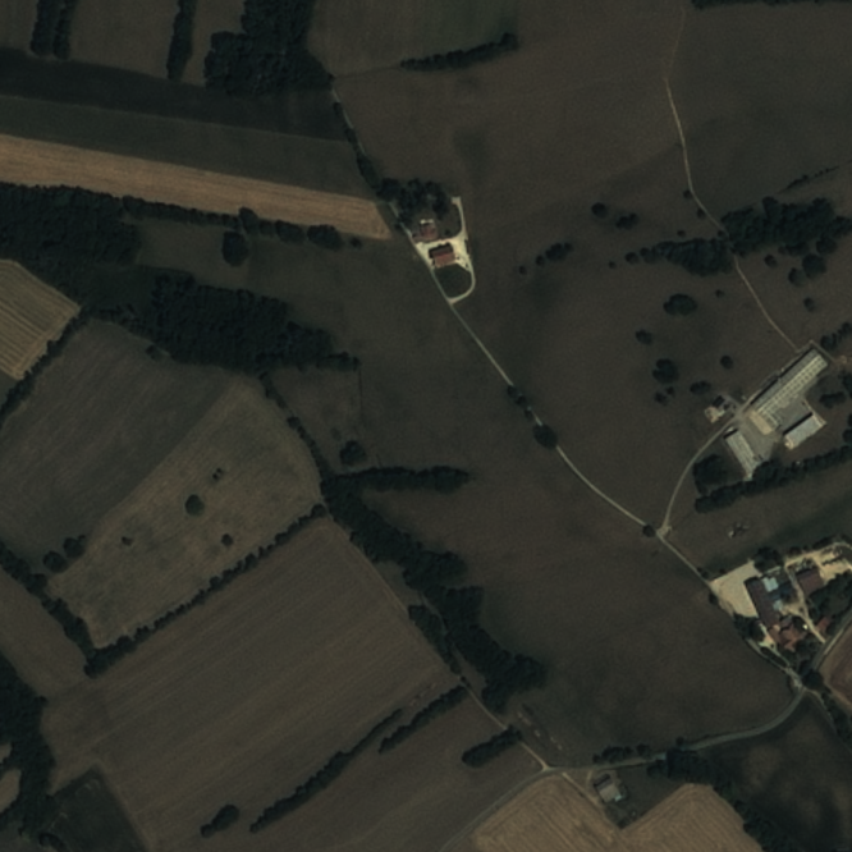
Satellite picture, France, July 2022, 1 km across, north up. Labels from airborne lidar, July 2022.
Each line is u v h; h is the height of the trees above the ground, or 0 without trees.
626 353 0
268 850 0
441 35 0
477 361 0
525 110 0
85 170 0
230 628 0
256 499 0
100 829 0
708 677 0
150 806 0
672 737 0
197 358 16
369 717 0
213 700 0
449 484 23
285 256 0
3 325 0
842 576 9
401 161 0
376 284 0
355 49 0
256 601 0
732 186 0
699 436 0
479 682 0
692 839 0
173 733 0
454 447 0
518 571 0
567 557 0
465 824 0
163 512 0
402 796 0
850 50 0
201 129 0
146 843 0
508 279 0
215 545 0
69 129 0
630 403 0
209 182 0
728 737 0
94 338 0
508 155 0
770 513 0
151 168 0
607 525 0
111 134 0
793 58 0
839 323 0
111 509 0
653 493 0
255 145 0
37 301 0
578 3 0
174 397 0
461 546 0
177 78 13
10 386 0
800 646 10
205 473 0
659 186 0
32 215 22
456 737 0
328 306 0
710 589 0
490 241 0
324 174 0
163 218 15
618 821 0
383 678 0
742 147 0
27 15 0
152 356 10
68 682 0
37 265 8
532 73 0
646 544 0
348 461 13
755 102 0
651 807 0
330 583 0
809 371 0
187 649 0
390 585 0
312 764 0
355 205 0
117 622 0
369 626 0
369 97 0
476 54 14
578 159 0
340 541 0
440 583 10
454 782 0
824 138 0
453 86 0
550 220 0
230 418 0
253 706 0
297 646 0
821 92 0
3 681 22
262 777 0
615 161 0
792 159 0
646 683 0
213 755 0
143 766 0
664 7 0
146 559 0
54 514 0
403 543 15
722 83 0
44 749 20
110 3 0
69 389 0
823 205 17
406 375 0
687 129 0
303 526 11
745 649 0
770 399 0
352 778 0
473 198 0
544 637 0
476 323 0
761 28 0
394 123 0
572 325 0
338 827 0
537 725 0
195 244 0
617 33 0
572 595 0
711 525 0
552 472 0
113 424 0
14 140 0
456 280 0
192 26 19
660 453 0
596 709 0
